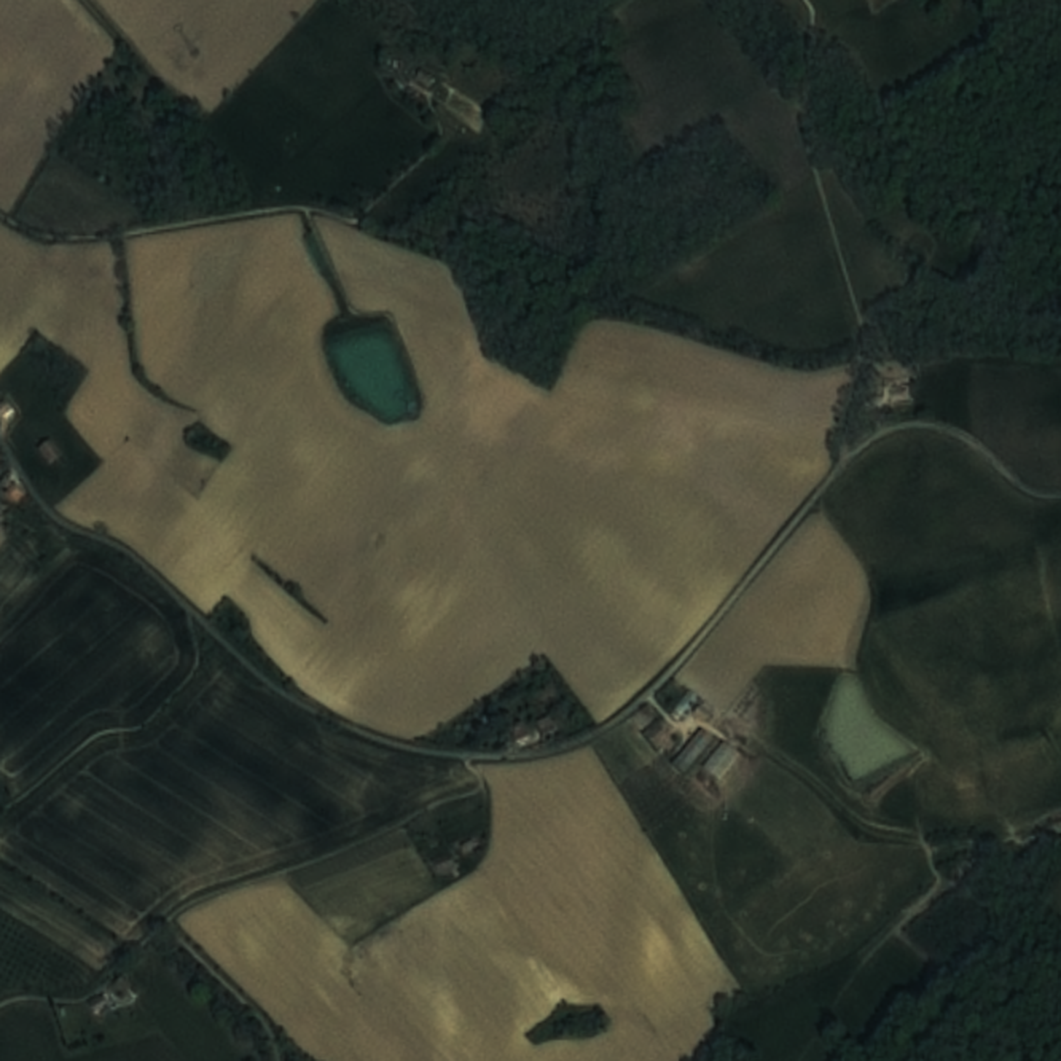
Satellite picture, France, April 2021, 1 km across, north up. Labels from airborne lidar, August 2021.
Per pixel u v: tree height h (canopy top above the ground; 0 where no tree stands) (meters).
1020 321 20
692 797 0
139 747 0
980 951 20
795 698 0
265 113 0
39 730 0
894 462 0
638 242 21
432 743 6
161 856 0
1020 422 0
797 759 0
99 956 0
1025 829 0
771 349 13
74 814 0
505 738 10
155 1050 0
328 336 0
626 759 0
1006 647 0
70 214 0
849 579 0
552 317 20
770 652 0
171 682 0
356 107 0
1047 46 23
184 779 0
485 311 17
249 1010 11
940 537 0
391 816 0
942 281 20
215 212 9
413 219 10
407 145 0
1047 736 0
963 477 0
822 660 0
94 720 0
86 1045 12
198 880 0
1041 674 0
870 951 0
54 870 0
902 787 0
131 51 11
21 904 0
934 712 0
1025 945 15
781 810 0
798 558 0
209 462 0
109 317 0
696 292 0
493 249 21
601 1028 14
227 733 0
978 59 21
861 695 0
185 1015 0
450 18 16
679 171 17
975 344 13
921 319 13
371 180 0
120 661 0
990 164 25
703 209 16
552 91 22
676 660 0
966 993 20
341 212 17
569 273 16
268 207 0
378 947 0
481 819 0
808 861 0
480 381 0
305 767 0
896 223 0
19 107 0
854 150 14
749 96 0
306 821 0
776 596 0
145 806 0
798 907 0
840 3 0
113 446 0
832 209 0
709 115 0
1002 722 0
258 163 0
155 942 15
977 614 0
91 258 0
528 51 22
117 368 0
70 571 0
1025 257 24
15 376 0
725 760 0
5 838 0
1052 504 0
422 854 8
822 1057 0
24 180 0
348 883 0
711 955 0
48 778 0
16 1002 0
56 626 0
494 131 13
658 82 0
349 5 5
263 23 0
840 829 0
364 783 0
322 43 0
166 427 0
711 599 0
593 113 22
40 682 0
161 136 19
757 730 0
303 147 0
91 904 0
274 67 0
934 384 0
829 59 17
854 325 0
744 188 15
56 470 0
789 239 0
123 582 0
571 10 20
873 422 15
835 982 0
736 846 0
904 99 18
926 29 0
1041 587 0
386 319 0
